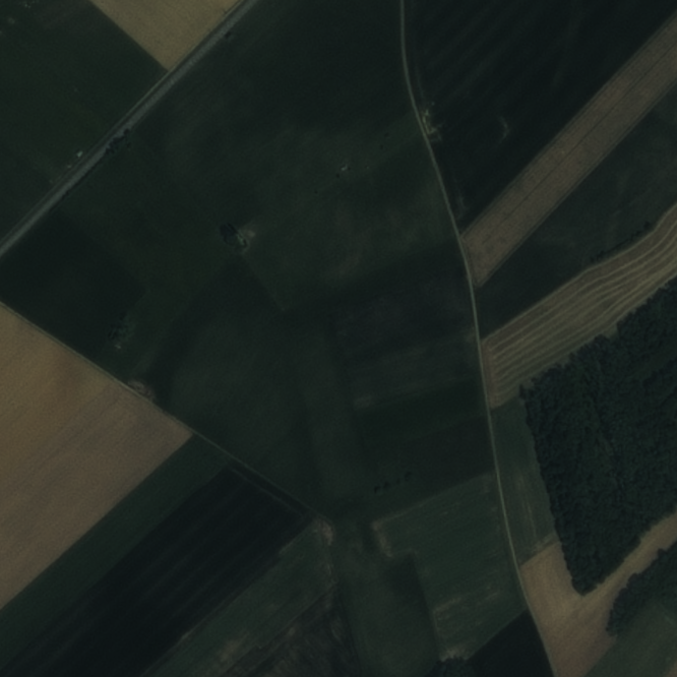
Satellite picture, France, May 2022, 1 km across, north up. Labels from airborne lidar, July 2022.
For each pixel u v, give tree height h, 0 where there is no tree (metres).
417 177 0
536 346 0
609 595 0
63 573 0
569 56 0
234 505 0
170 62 0
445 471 0
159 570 0
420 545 0
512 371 0
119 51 0
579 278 0
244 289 0
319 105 0
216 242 0
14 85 0
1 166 0
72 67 0
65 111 0
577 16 0
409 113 0
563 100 0
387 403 0
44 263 0
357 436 0
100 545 0
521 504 0
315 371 0
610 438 31
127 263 0
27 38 0
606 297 0
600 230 0
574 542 23
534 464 0
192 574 0
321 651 0
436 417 0
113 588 0
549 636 0
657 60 0
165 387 0
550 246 0
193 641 0
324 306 0
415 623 0
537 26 0
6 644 0
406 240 0
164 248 0
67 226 0
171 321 0
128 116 0
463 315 0
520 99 0
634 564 0
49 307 0
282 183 0
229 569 0
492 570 0
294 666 0
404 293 0
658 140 0
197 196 0
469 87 0
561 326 0
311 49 0
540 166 0
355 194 0
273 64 0
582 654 0
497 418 0
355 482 0
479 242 0
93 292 0
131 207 0
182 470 0
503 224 0
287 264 0
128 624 0
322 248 0
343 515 0
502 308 0
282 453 0
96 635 0
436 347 0
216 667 0
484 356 0
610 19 0
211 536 0
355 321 0
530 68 0
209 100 0
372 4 0
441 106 0
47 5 0
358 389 0
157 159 0
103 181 0
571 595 0
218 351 0
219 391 0
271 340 0
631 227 0
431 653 0
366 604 0
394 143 0
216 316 0
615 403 28
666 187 0
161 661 0
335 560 0
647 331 14
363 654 0
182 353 0
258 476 0
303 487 0
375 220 0
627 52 0
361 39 0
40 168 0
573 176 0
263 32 0
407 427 0
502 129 0
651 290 0
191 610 0
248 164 0
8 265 0
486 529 0
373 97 0
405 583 0
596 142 0
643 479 23
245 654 0
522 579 0
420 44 0
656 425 17
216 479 0
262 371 0
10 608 0
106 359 0
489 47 0
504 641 0
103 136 0
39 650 0
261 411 0
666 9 0
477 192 0
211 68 0
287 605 0
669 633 0
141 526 0
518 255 0
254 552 0
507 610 0
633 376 19
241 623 0
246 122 0
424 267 0
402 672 0
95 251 0
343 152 0
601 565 24
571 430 26
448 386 0
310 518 0
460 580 0
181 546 0
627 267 0
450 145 0
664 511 23
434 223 0
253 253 0
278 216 0
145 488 0
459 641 0
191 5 0
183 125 0
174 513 0
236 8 0
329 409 0
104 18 0
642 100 0
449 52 0
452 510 0
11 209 0
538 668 0
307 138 0
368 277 0
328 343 0
